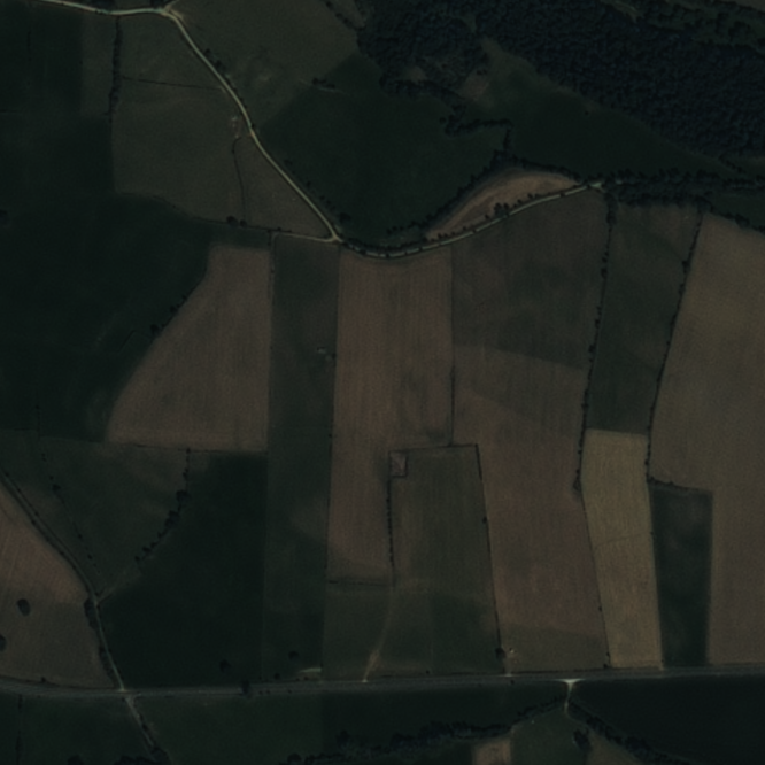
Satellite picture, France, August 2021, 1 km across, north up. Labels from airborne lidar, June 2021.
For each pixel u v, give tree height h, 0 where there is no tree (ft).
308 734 0
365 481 0
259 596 0
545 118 0
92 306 0
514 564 0
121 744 0
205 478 0
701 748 0
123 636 0
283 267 0
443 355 0
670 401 0
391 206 0
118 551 0
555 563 0
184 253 0
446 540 0
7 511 0
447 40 44
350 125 0
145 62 0
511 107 0
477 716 0
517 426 0
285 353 0
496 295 0
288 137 0
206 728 0
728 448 0
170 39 0
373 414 0
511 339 0
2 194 0
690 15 52
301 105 0
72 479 0
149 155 0
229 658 0
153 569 0
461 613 0
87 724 0
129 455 0
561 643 0
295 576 0
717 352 0
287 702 0
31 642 0
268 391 0
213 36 0
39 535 0
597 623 0
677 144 26
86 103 0
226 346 0
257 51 0
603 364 0
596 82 74
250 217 0
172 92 0
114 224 0
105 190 0
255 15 0
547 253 0
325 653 0
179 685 0
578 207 0
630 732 0
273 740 0
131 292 0
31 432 0
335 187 0
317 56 0
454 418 0
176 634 0
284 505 0
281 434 0
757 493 0
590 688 0
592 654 0
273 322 0
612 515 0
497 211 35
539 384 0
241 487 0
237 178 0
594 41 51
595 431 0
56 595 0
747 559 0
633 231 0
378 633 0
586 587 0
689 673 0
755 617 0
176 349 0
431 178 0
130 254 0
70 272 0
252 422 0
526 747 0
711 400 0
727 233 0
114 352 0
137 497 0
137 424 0
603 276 31
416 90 55
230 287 0
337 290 0
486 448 0
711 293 0
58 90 0
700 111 58
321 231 0
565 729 0
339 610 0
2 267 0
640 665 0
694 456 0
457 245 0
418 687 0
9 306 0
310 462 0
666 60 65
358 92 0
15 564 0
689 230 0
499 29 54
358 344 0
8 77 0
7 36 0
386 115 0
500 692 0
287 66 0
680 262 0
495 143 0
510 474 0
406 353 0
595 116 0
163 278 0
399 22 41
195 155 0
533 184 0
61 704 0
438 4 46
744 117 75
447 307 0
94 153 0
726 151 50
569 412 0
